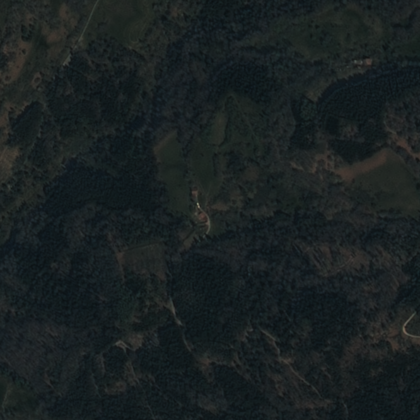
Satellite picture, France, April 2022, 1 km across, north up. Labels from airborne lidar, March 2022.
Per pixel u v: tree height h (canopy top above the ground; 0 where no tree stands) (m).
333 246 27
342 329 18
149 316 10
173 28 38
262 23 33
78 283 14
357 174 0
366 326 14
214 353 19
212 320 26
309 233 29
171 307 0
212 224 0
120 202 17
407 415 14
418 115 18
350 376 9
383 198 0
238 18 31
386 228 24
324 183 20
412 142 12
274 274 16
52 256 24
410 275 17
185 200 0
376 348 21
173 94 27
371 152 16
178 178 0
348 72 0
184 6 29
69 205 20
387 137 18
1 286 27
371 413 18
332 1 17
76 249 20
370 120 22
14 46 16
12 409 0
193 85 31
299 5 26
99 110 26
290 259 17
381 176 0
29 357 27
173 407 19
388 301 24
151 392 19
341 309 18
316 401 13
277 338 6
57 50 0
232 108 6
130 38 0
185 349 20
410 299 24
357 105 22
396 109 18
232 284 19
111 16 0
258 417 13
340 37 0
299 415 32
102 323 20
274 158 22
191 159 23
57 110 20
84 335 28
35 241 25
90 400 23
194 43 30
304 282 13
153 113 21
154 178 22
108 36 13
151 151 16
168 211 20
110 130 29
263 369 18
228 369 24
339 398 11
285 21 23
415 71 22
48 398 26
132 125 6
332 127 16
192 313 19
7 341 37
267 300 17
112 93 23
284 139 17
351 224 16
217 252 23
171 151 0
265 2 27
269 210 21
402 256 31
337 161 13
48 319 26
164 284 7
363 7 20
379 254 33
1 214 15
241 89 27
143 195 20
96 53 23
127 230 13
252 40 22
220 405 29
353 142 18
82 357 24
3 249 16
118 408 23
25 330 35
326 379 20
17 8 24
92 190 26
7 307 0
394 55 15
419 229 29
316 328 15
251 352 15
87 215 29
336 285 23
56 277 28
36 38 0
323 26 0
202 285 23
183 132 25
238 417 23
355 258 0
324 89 0
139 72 22
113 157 14
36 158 27
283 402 26
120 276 22
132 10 0
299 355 9
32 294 27
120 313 26
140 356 21
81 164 20
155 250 0
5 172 0
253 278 19
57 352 27
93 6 0
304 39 0
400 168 0
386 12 19
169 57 27
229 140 9
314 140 14
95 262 29
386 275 27
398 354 8
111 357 15
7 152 0
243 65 25
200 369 8
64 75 28
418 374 12
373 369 9
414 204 0
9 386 0
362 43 0
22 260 33
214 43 23
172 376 21
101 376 21
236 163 19
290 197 13
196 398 14
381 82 28
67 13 13
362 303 24
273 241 25
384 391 18
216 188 0
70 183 28
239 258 18
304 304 27
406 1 29
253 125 11
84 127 23
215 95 30
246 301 16
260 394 23
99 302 26
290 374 16
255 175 0
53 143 31
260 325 11
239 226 11
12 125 18
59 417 23
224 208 0
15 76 0
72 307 24
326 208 11
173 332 23
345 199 24
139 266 0
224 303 34
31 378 37
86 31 0
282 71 20
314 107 19
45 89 14
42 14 9
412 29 18
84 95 17
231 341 24
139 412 18
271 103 27
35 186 24
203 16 17
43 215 30
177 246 15
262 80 27
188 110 29
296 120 14
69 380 18
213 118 8
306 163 20
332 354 6
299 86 25
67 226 35
